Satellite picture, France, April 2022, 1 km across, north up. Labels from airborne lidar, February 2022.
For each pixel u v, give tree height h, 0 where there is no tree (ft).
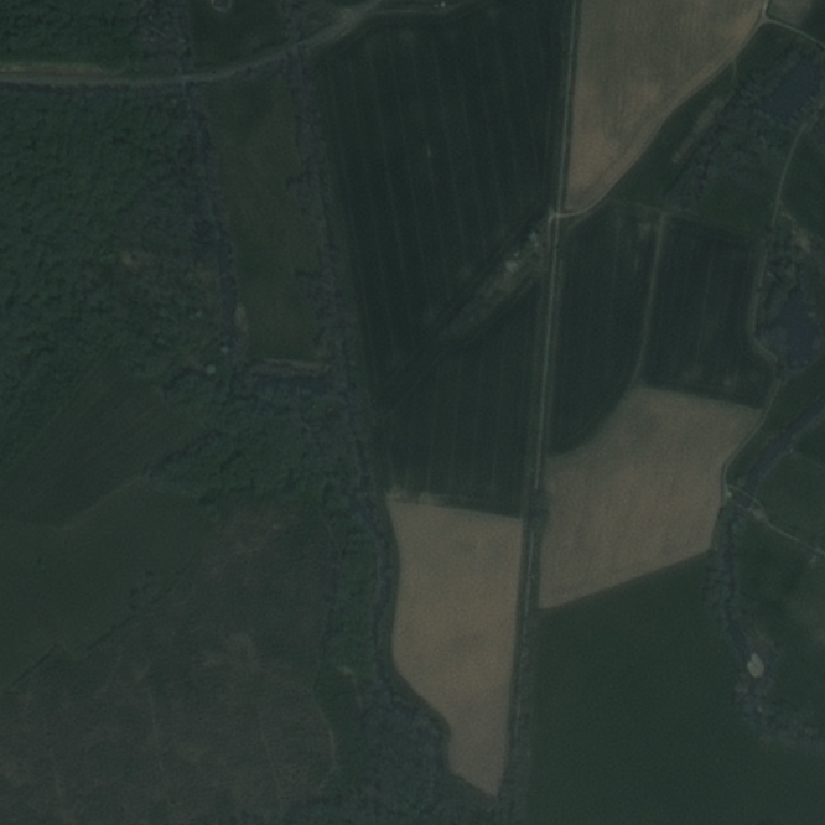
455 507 0
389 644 0
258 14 0
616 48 0
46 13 89
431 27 0
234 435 79
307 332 0
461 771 0
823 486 0
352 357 67
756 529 0
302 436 93
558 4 0
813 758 0
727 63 0
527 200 0
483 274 0
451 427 0
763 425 0
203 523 0
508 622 0
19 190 80
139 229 85
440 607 0
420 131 0
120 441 0
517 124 0
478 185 0
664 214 0
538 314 0
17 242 93
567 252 0
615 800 0
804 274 55
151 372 87
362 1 0
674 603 0
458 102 0
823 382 0
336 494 76
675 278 0
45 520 0
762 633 0
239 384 35
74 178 72
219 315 54
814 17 0
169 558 0
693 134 0
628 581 0
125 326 95
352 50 0
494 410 0
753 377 0
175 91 59
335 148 0
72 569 0
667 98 0
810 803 0
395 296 0
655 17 0
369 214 0
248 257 0
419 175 0
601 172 0
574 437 0
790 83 0
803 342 0
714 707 0
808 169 0
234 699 0
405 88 0
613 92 0
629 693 0
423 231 0
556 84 0
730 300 0
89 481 0
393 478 0
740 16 0
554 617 0
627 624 0
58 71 0
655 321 0
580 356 0
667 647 0
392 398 0
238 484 92
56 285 78
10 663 0
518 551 0
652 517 0
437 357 0
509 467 0
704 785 0
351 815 104
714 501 0
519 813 61
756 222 0
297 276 19
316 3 0
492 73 0
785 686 0
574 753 0
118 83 0
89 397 0
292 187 55
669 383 0
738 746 0
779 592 0
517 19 0
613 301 0
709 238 0
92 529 0
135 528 0
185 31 53
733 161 36
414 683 0
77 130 81
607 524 0
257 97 0
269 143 0
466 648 0
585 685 0
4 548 0
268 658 0
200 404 90
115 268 0
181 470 77
